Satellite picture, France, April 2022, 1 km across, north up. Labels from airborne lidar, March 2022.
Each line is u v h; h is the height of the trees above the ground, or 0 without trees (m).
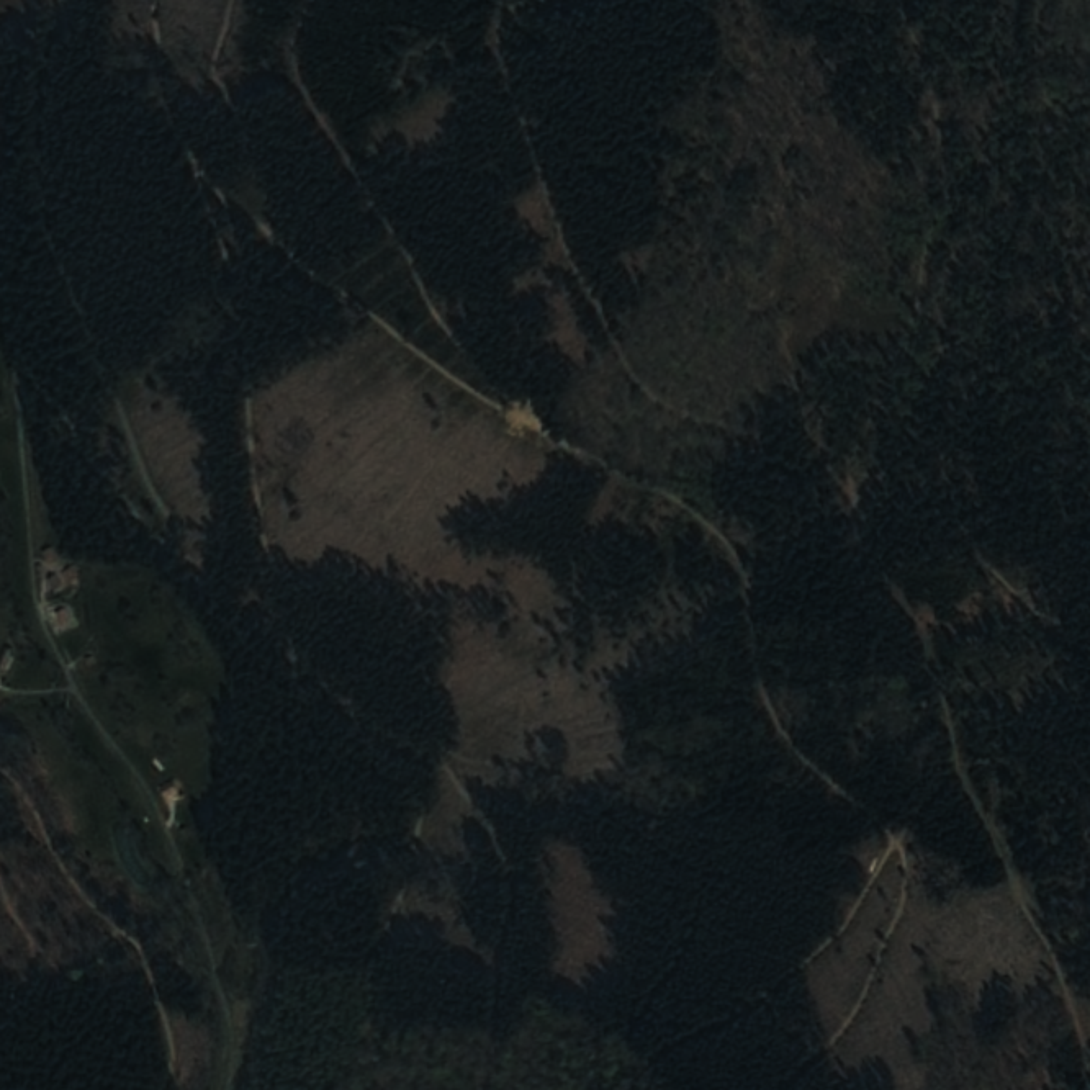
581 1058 22
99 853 0
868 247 30
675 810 22
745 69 18
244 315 22
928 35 27
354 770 37
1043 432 37
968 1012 22
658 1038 22
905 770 19
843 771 13
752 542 0
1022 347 31
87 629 0
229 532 26
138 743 0
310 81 9
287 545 0
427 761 28
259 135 27
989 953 0
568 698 0
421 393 0
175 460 0
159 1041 33
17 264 32
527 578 0
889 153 37
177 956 30
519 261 27
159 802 0
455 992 22
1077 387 32
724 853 22
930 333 38
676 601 0
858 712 11
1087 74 31
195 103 22
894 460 24
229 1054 0
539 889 23
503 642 0
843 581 28
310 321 28
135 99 25
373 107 9
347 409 0
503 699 0
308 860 0
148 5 0
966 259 22
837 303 0
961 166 22
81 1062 29
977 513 27
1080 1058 22
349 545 0
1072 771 27
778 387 19
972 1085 21
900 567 30
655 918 22
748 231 21
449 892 27
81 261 29
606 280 26
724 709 14
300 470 0
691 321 18
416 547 0
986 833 24
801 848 13
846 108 34
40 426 38
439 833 0
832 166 26
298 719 30
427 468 0
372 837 0
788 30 23
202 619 20
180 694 0
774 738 11
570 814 24
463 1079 20
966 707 8
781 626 15
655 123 9
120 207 27
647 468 18
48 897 8
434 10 9
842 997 0
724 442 22
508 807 25
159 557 39
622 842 22
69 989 28
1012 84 23
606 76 22
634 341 17
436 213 25
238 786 35
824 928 21
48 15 34
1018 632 28
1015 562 26
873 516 27
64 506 38
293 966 30
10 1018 34
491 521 28
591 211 20
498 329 24
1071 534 29
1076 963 27
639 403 16
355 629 30
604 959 0
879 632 28
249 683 41
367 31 8
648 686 12
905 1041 0
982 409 40
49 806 28
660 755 15
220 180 27
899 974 0
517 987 22
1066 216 34
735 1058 22
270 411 11
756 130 28
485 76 26
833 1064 19
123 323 28
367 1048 28
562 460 22
